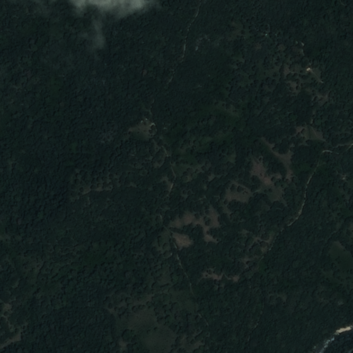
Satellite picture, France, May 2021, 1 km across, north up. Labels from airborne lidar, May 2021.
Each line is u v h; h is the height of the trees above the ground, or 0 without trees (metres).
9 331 8
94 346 6
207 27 13
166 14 9
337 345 8
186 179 12
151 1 9
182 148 9
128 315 11
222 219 8
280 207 8
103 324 8
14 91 10
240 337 11
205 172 7
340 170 7
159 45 11
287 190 7
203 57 7
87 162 6
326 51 9
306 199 8
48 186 11
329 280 8
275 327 7
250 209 8
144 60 7
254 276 9
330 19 13
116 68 8
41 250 10
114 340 8
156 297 10
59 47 7
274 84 11
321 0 12
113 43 6
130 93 9
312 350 15
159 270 9
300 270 13
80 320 11
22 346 9
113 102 6
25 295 11
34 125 8
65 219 7
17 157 7
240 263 11
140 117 6
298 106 8
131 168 8
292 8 9
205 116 6
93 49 10
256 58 14
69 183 11
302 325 8
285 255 7
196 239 7
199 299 8
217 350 7
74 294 7
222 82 6
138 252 8
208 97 8
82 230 10
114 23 8
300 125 8
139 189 8
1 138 8
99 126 6
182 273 12
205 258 10
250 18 13
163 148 9
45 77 8
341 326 10
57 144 8
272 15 9
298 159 7
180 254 10
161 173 8
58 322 10
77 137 9
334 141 8
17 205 11
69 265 10
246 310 10
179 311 9
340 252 0
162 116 8
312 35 16
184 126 10
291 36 8
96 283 9
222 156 14
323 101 14
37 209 8
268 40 13
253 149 9
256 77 10
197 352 10
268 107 7
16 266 8
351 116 12
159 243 8
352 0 16
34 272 10
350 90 13
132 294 10
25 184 11
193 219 0
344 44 14
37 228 8
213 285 9
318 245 10
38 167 7
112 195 6
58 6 10
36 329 13
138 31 9
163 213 10
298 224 6
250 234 8
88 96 8
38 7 10
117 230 11
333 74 10
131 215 8
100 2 9
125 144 8
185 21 7
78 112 10
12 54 10
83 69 8
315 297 9
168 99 10
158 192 10
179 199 8
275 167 7
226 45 9
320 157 8
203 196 6
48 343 13
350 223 9
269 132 9
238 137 9
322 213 7
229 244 7
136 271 8
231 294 7
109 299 9
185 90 11
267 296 8
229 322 9
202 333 11
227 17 14
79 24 11
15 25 9
